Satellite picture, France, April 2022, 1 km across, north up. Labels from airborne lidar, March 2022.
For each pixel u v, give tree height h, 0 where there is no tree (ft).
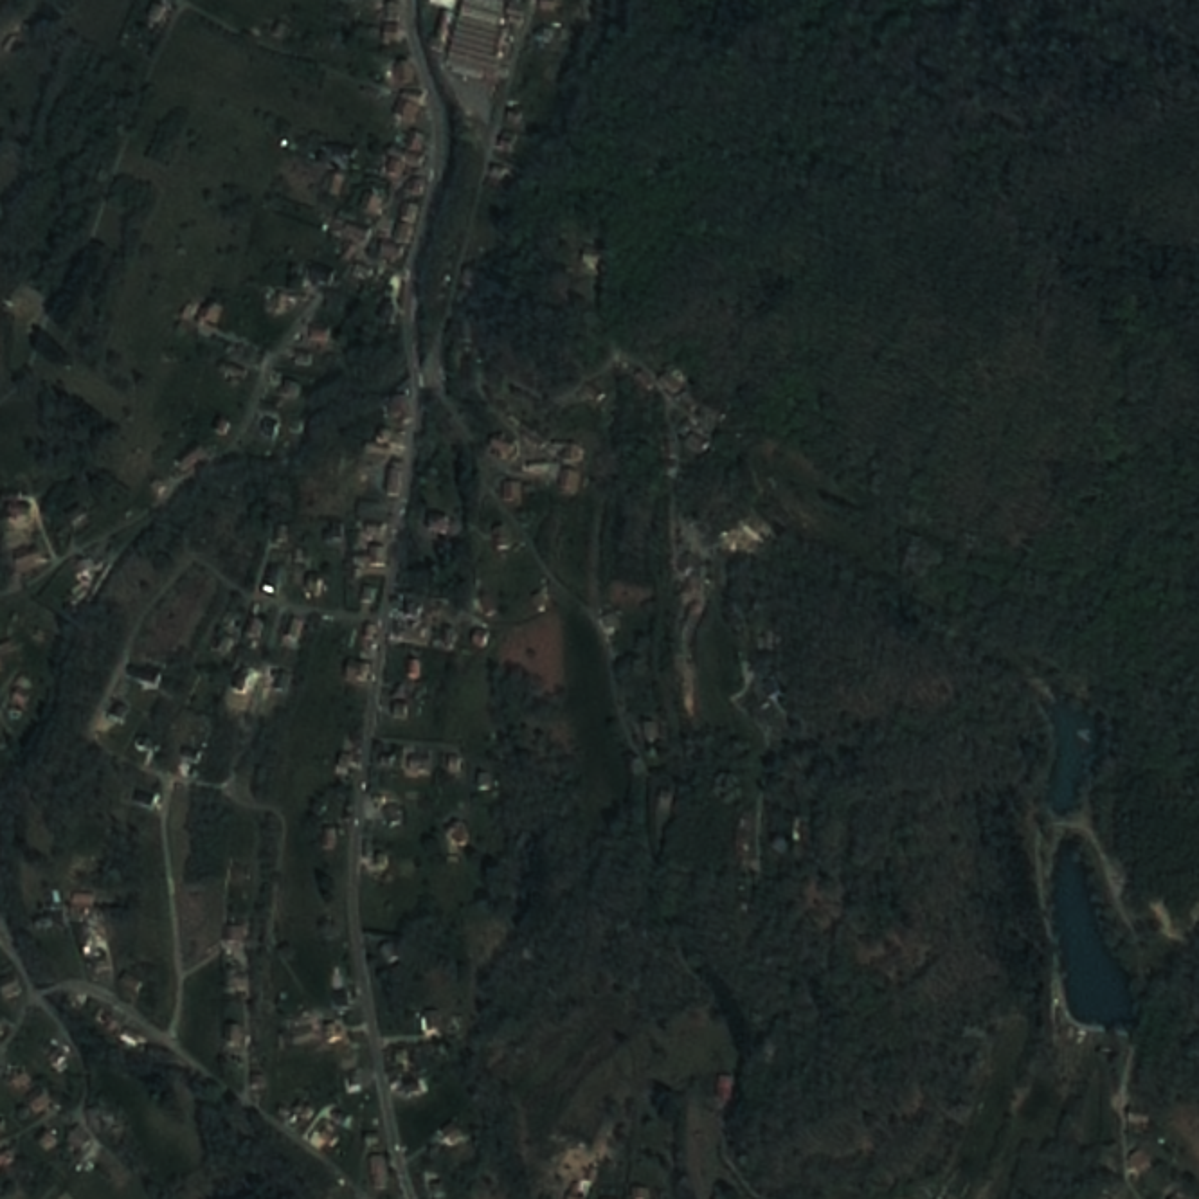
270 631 0
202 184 0
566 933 42
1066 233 72
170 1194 37
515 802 41
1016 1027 0
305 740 0
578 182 56
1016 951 62
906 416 75
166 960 0
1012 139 66
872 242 56
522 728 24
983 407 63
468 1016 0
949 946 40
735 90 49
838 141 77
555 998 59
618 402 18
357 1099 0
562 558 0
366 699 0
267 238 0
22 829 51
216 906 0
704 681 0
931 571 62
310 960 0
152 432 0
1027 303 57
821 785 43
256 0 0
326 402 62
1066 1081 22
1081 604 55
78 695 66
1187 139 71
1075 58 73
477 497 76
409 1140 0
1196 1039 32
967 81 91
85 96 26
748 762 41
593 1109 0
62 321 62
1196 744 82
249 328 0
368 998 0
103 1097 25
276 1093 0
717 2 54
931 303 58
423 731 0
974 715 34
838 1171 66
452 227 79
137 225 44
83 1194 0
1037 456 70
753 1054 45
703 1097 0
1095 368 66
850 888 61
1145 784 27
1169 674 41
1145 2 77
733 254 60
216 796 21
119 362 45
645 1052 0
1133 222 79
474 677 0
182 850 0
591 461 0
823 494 0
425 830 0
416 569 41
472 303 57
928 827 65
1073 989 0
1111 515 56
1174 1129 0
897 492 69
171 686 41
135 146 0
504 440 0
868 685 44
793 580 39
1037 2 93
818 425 78
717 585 0
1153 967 0
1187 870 22
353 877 0
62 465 61
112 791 0
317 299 0
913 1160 82
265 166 0
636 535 70
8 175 0
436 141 0
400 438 0
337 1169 0
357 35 37
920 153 68
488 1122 45
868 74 79
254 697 0
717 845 26
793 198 59
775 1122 64
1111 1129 0
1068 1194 58
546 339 70
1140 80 62
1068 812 31
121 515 0
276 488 49
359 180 18
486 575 0
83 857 0
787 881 45
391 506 0
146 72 0
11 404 0
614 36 70
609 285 53
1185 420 74
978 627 24
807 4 68
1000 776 53
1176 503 53
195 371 0
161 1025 0
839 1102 50
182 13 0
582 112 75
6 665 0
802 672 33
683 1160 53
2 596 0
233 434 0
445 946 22
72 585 0
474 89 0
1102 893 64
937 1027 76
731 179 74
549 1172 0
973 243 68
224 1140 74
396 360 51
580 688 0
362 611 0
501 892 71
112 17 0
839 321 68
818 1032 28
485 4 0
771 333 68
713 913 44
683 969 46
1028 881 71
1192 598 60
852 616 38
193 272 0
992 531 72
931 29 103
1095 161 68
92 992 0
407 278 0
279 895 0
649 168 63
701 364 33
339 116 30
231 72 0
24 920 58
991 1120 0
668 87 56
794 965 24
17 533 0
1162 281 79
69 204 47
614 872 61
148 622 0
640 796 32
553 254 41
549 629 0
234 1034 0
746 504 50
